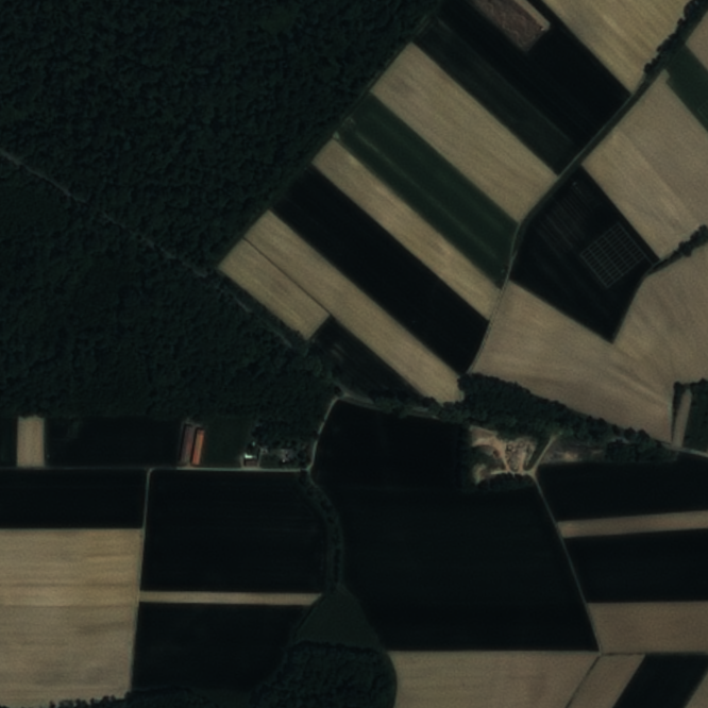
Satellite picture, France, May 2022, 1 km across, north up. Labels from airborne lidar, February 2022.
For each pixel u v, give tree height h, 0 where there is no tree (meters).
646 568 0
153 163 24
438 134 0
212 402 23
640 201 0
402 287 0
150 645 0
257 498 0
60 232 15
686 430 0
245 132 27
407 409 20
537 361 0
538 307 0
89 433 0
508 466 0
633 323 0
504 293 0
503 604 0
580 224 0
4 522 0
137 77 31
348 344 0
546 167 0
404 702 0
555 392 0
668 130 0
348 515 0
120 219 21
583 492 0
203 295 24
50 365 21
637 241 0
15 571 0
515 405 22
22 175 20
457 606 0
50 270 25
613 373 0
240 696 0
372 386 0
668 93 0
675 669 0
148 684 0
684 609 0
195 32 26
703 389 8
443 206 0
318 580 0
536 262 0
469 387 20
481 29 0
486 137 0
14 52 22
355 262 0
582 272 0
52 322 10
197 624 0
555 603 0
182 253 14
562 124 0
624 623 0
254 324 15
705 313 0
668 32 0
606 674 0
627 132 0
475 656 0
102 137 19
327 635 0
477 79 0
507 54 0
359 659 19
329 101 21
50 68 21
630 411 0
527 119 0
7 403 23
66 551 0
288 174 17
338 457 0
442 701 0
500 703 0
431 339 0
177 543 0
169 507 0
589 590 0
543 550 0
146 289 16
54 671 0
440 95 0
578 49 0
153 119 28
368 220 0
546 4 0
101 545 0
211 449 0
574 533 0
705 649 0
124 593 0
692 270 0
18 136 22
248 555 0
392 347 0
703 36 0
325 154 0
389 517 0
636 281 0
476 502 0
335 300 0
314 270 0
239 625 0
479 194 0
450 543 0
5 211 16
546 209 0
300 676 16
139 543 0
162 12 22
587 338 0
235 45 21
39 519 0
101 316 8
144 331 17
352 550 0
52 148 30
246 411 13
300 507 0
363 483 0
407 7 26
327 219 0
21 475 0
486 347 0
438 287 0
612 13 0
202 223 22
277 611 0
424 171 0
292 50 24
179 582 0
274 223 0
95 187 21
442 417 24
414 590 0
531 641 0
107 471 0
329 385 20
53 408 23
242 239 0
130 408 13
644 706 0
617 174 0
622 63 0
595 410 0
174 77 18
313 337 0
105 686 0
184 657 0
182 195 24
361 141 0
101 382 17
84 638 0
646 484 0
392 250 0
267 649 0
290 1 29
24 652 0
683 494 0
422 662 0
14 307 22
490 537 0
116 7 7
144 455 0
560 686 0
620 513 0
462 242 0
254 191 20
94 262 10
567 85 0
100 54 31
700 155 0
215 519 0
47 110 30
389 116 0
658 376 0
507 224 0
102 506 0
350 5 24
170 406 20
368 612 0
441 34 0
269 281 0
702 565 0
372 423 0
